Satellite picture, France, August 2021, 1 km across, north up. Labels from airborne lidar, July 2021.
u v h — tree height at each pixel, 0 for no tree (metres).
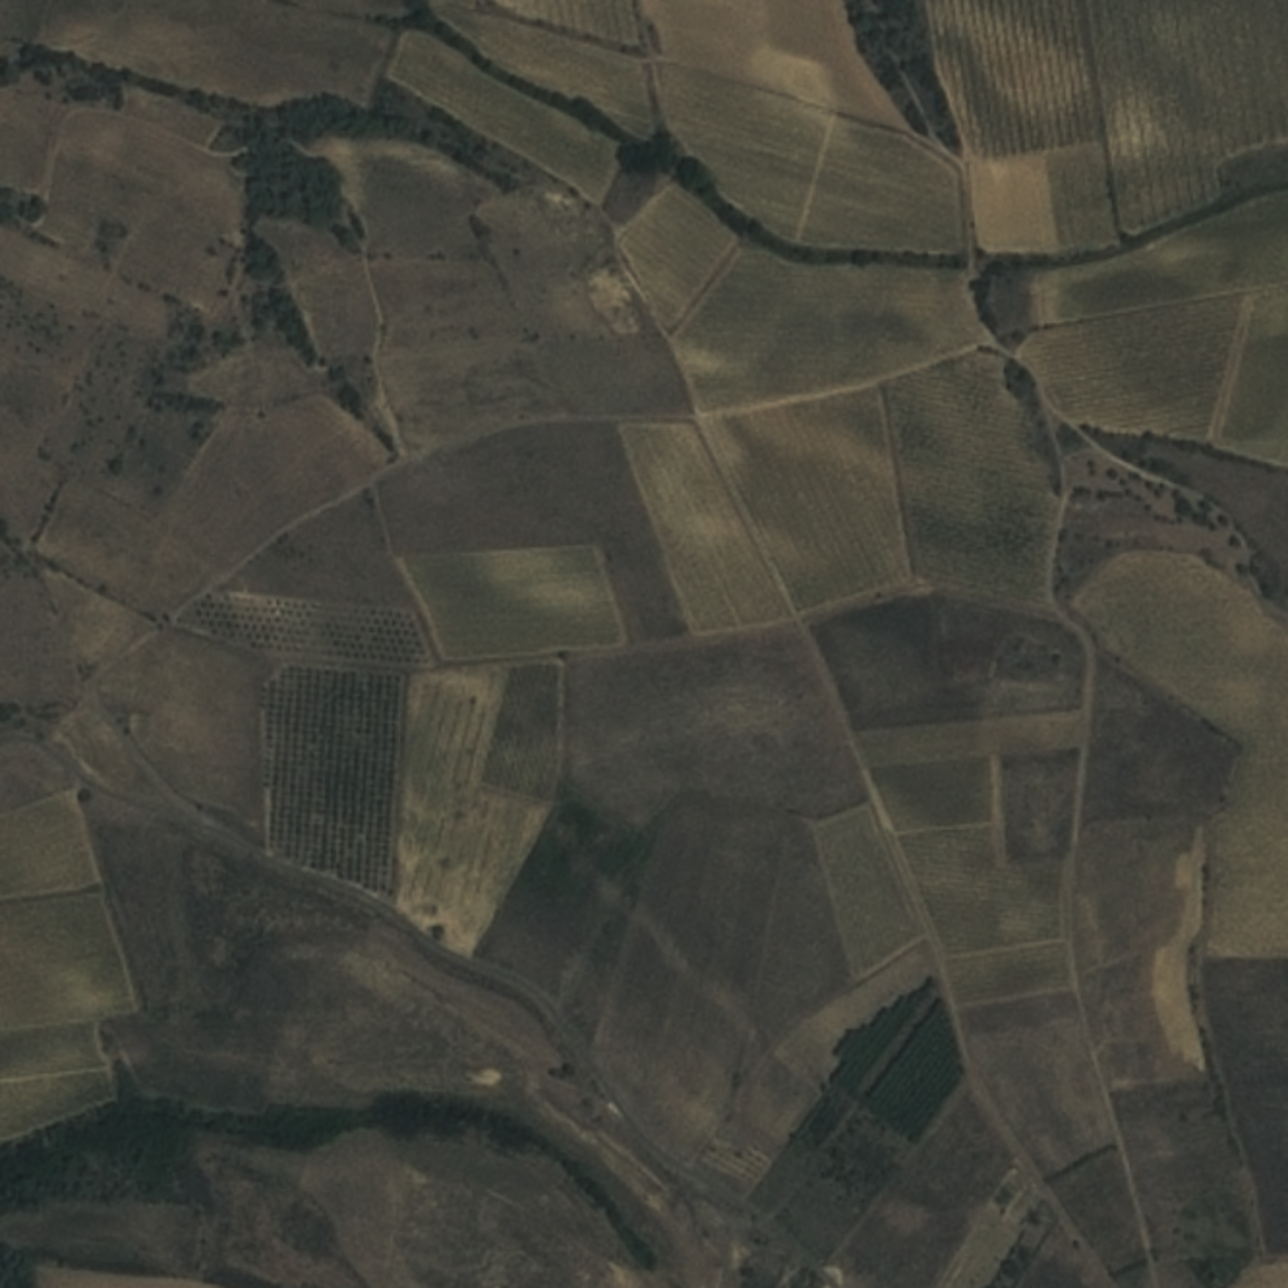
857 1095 9
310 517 0
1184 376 0
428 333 0
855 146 0
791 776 0
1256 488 0
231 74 0
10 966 0
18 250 0
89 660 0
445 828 0
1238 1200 0
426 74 0
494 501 0
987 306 6
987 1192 0
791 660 0
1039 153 0
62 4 0
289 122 13
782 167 0
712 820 0
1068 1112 0
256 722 0
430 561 0
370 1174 0
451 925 0
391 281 0
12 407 0
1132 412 0
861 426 0
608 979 0
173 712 0
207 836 0
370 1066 0
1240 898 0
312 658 0
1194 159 0
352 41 0
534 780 0
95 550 0
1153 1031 0
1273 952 0
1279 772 0
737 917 0
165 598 0
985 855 0
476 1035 0
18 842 0
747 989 0
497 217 0
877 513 0
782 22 0
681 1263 0
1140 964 0
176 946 0
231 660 0
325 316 0
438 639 0
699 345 0
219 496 0
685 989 0
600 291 0
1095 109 0
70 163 0
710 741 0
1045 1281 0
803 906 0
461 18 0
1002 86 0
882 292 0
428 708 0
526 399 0
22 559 9
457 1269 0
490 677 0
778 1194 0
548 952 0
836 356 0
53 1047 0
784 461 0
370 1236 0
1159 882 0
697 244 0
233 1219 0
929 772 0
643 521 0
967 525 0
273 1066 0
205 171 0
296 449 0
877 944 0
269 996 0
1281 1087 0
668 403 0
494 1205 0
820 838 0
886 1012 8
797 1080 0
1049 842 0
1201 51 0
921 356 0
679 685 0
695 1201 0
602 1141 0
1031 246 0
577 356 0
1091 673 0
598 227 0
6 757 0
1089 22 0
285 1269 0
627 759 0
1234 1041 0
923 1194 0
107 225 0
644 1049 0
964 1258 0
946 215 0
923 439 0
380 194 0
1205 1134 0
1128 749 0
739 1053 0
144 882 0
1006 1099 0
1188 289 0
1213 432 0
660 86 0
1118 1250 0
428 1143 0
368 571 0
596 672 0
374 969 0
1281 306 0
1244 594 0
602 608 0
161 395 6
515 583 0
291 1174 0
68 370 0
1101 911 0
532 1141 7
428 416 0
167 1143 8
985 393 0
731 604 0
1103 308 0
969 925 0
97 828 0
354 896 0
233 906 0
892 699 0
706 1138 0
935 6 0
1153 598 0
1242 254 0
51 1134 9
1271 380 0
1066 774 0
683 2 0
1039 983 0
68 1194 7
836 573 0
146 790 0
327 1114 6
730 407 0
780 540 0
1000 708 0
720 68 0
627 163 8
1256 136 0
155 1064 0
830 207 0
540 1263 0
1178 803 0
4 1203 7
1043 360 0
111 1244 0
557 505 0
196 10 0
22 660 0
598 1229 0
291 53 0
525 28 0
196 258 0
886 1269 0
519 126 0
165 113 0
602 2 0
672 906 0
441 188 0
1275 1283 0
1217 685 0
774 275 0
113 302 0
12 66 17
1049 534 0
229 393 0
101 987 0
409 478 0
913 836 0
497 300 0
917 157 0
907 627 0
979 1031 0
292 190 14
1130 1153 0
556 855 0
